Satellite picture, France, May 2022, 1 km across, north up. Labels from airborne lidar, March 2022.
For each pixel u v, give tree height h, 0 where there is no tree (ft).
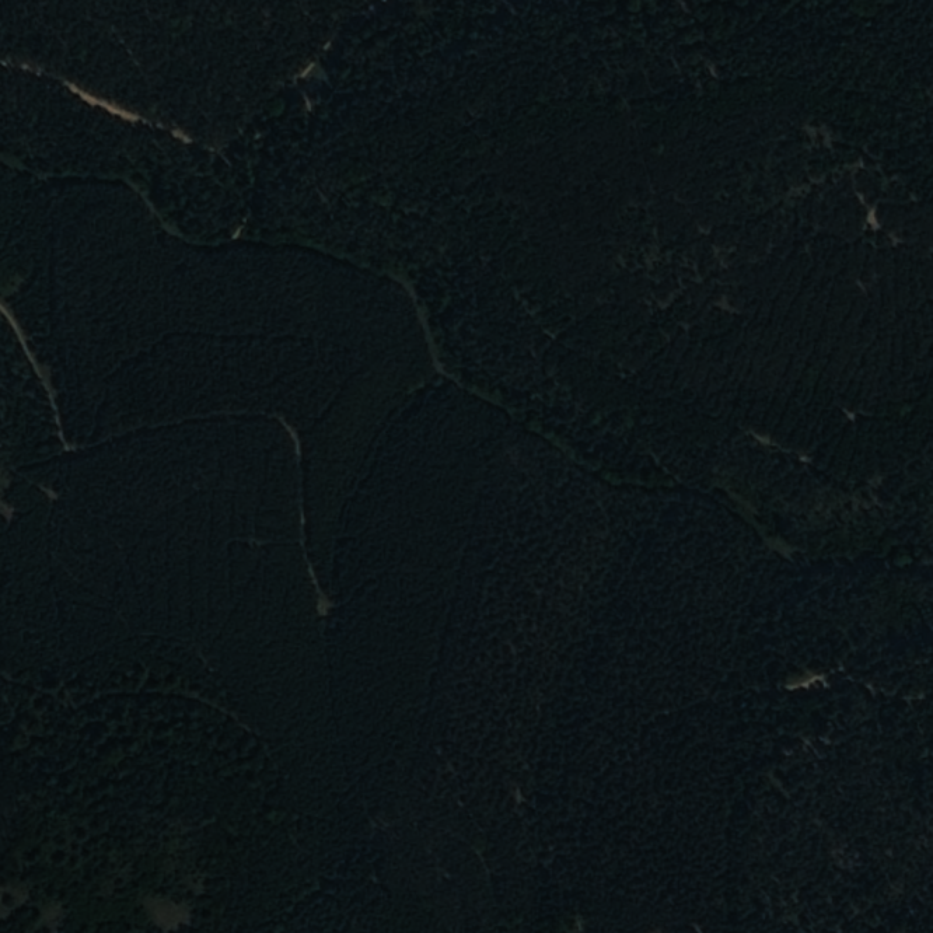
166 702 29
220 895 60
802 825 111
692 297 42
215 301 76
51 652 45
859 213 41
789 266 60
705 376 48
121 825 31
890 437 64
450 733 94
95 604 55
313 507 65
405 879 69
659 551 78
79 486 65
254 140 135
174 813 43
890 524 122
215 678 61
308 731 48
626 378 34
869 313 70
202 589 60
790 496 91
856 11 96
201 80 85
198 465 50
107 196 56
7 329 33
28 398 30
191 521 53
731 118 41
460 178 45
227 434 51
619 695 89
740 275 38
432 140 57
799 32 83
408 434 53
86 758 70
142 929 30
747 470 96
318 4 79
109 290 78
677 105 54
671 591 90
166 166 105
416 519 51
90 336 74
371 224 89
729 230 33
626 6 107
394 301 55
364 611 57
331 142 84
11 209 33
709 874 90
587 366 67
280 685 53
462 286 89
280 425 48
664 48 88
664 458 97
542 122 45
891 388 69
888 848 103
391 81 89
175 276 70
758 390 59
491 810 85
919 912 99
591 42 100
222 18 64
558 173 43
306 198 101
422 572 53
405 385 34
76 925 41
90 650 56
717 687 77
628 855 96
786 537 125
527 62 104
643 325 36
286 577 56
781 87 43
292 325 65
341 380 61
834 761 107
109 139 82
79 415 65
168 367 72
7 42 86
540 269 38
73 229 63
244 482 49
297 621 67
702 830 83
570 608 101
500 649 102
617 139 43
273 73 109
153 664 42
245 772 53
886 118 63
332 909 87
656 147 67
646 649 100
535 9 117
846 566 0
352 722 58
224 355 76
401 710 50
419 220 69
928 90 79
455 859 66
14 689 36
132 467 56
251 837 66
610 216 36
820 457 76
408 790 75
